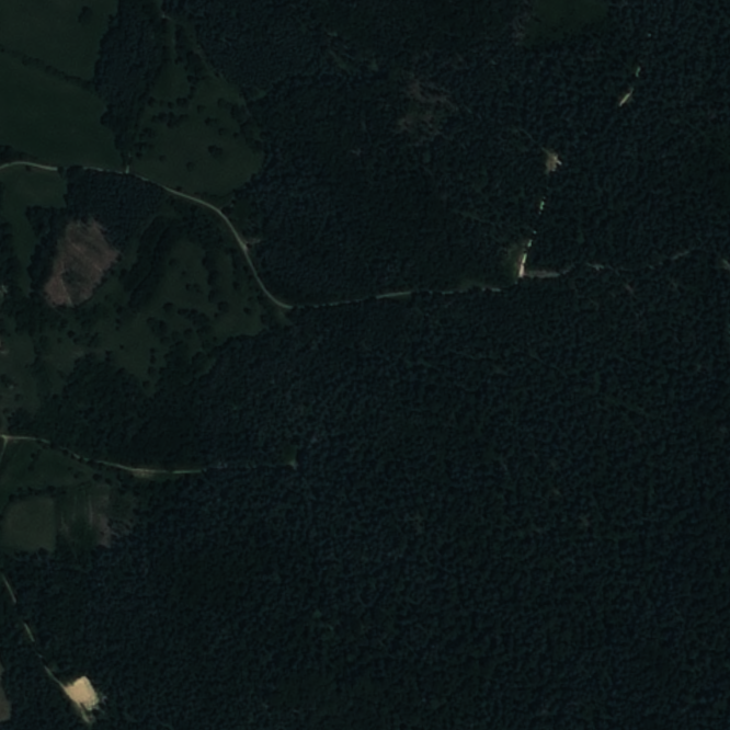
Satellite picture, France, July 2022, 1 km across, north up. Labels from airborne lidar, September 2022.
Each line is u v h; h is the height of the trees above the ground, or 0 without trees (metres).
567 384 13
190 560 11
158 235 7
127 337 0
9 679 17
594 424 22
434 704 26
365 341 21
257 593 18
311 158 20
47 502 0
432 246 13
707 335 22
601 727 22
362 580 26
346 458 35
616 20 9
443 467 11
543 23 25
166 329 18
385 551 19
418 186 19
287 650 12
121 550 24
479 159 17
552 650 23
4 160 17
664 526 17
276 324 6
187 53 9
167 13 12
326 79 20
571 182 19
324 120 13
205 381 13
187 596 13
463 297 14
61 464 0
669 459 20
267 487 13
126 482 10
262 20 22
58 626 13
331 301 10
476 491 21
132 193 24
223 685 22
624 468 7
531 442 28
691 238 16
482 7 23
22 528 0
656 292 17
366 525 8
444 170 20
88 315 8
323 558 22
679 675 28
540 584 17
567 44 10
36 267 18
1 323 8
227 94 0
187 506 24
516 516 16
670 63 15
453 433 14
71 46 0
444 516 19
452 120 11
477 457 14
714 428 21
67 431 7
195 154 0
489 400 25
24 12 0
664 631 23
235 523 15
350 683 20
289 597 20
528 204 15
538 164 17
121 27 17
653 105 23
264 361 20
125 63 24
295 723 13
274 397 20
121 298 0
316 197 29
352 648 21
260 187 30
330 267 21
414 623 20
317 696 7
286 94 6
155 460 17
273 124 18
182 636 18
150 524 8
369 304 17
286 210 21
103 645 18
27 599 25
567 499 13
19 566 12
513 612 18
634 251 20
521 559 11
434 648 25
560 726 19
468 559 11
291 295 14
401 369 25
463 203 13
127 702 22
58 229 24
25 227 0
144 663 16
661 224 21
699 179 8
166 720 17
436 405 25
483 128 25
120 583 17
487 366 14
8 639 22
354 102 13
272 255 22
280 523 23
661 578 21
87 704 0
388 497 8
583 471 23
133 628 19
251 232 12
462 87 23
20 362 0
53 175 0
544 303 12
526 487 27
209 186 0
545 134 16
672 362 25
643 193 25
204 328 8
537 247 13
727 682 35
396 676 17
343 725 8
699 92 13
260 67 24
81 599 14
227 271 0
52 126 0
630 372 18
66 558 7
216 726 14
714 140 11
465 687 13
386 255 17
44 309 9
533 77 26
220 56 24
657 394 9
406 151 7
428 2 18
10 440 0
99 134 0
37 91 0
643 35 14
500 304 11
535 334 14
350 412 21
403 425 7
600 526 11
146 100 15
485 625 17
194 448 18
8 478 0
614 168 22
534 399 19
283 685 20
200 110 8
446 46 18
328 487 32
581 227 16
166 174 0
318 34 18
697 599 27
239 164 0
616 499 17
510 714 23
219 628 19
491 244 14
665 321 19
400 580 21
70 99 0
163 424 11
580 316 16
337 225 23
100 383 11
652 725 30
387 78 25
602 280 19
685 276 11
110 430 7
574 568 19
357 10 12
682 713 27
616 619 13
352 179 12
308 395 23
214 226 15
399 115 19
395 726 14
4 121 0
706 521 24
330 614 25
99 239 0
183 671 12
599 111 25
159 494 9
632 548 20
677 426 21
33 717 18
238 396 8
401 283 12
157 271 12
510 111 19
